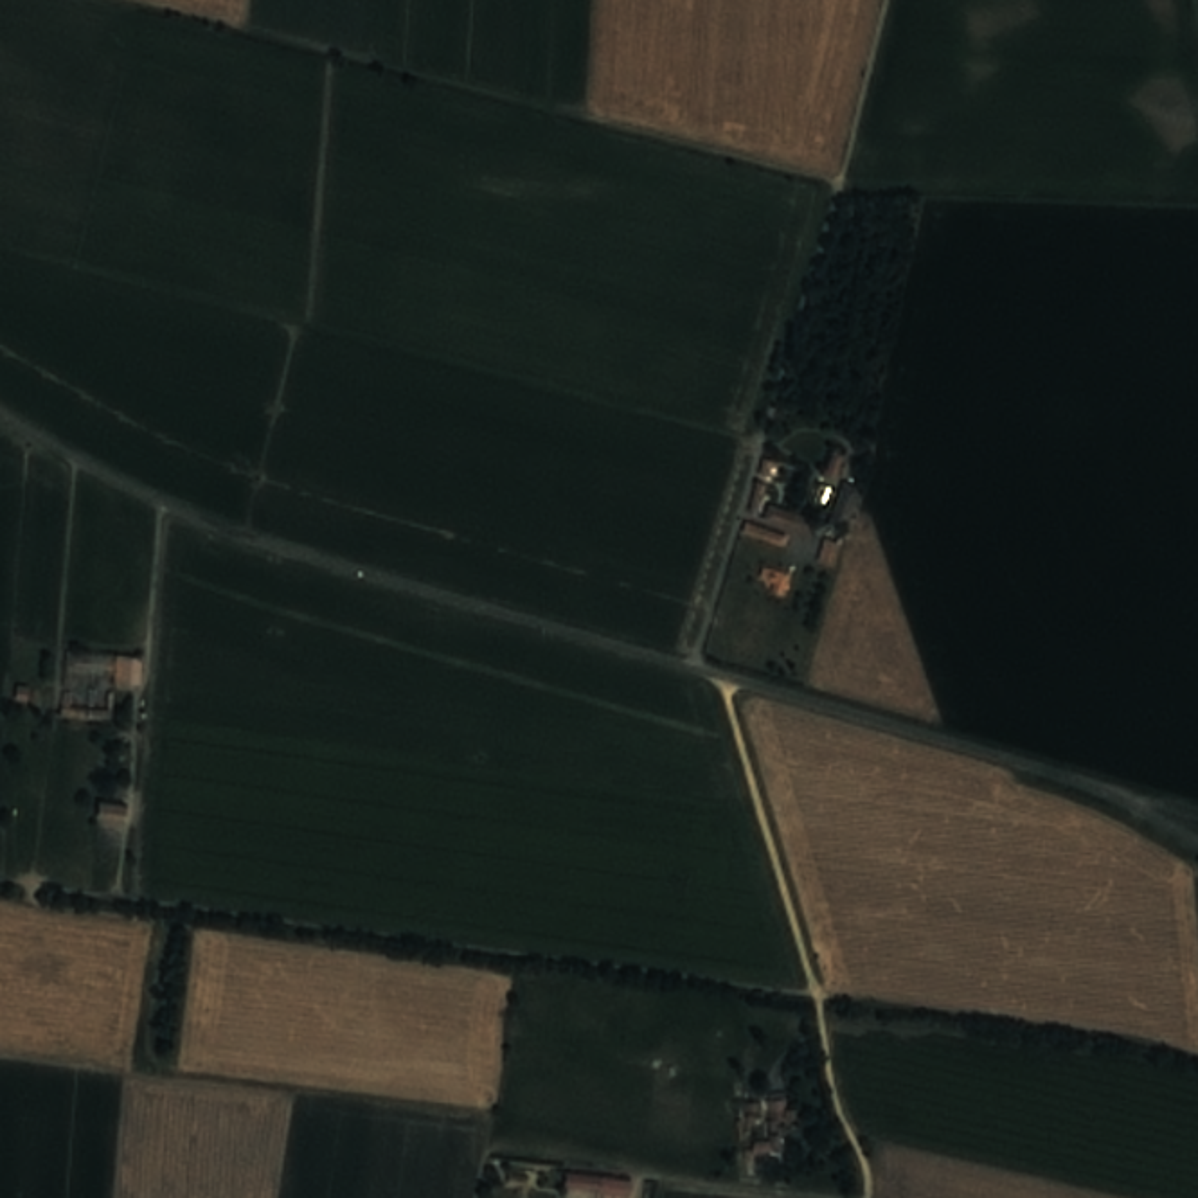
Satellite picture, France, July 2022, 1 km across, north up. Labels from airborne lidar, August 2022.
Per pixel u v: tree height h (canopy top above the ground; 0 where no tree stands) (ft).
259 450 0
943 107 0
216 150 0
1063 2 0
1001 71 0
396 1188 0
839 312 58
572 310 0
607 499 0
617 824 0
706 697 0
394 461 0
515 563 0
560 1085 0
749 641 0
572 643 0
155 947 0
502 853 0
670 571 0
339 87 0
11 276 0
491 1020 0
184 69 0
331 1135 0
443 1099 0
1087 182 0
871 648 0
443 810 0
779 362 36
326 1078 0
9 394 0
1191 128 0
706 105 0
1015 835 0
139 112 0
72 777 0
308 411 0
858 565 0
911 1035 0
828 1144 50
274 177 0
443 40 0
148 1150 0
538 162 0
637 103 0
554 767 0
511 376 0
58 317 0
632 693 0
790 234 0
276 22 0
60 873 0
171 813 0
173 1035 54
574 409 0
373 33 0
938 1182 0
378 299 0
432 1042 0
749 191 0
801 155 0
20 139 0
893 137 0
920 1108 0
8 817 39
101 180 0
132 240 0
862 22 0
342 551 0
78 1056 0
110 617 0
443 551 0
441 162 0
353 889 0
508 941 0
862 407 52
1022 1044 41
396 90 0
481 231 0
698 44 0
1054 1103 0
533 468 0
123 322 0
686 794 0
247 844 0
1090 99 0
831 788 0
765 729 0
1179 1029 0
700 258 0
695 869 0
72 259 0
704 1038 0
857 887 0
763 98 0
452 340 0
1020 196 0
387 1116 0
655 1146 0
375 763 0
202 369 0
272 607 0
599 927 0
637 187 0
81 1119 0
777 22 0
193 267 0
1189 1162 0
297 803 0
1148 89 0
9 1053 0
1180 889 0
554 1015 0
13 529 0
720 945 0
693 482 0
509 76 0
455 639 0
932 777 0
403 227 0
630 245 0
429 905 0
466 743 0
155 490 0
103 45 0
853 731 0
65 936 0
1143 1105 0
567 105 0
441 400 0
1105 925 0
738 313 0
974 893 0
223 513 0
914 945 0
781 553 0
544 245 0
